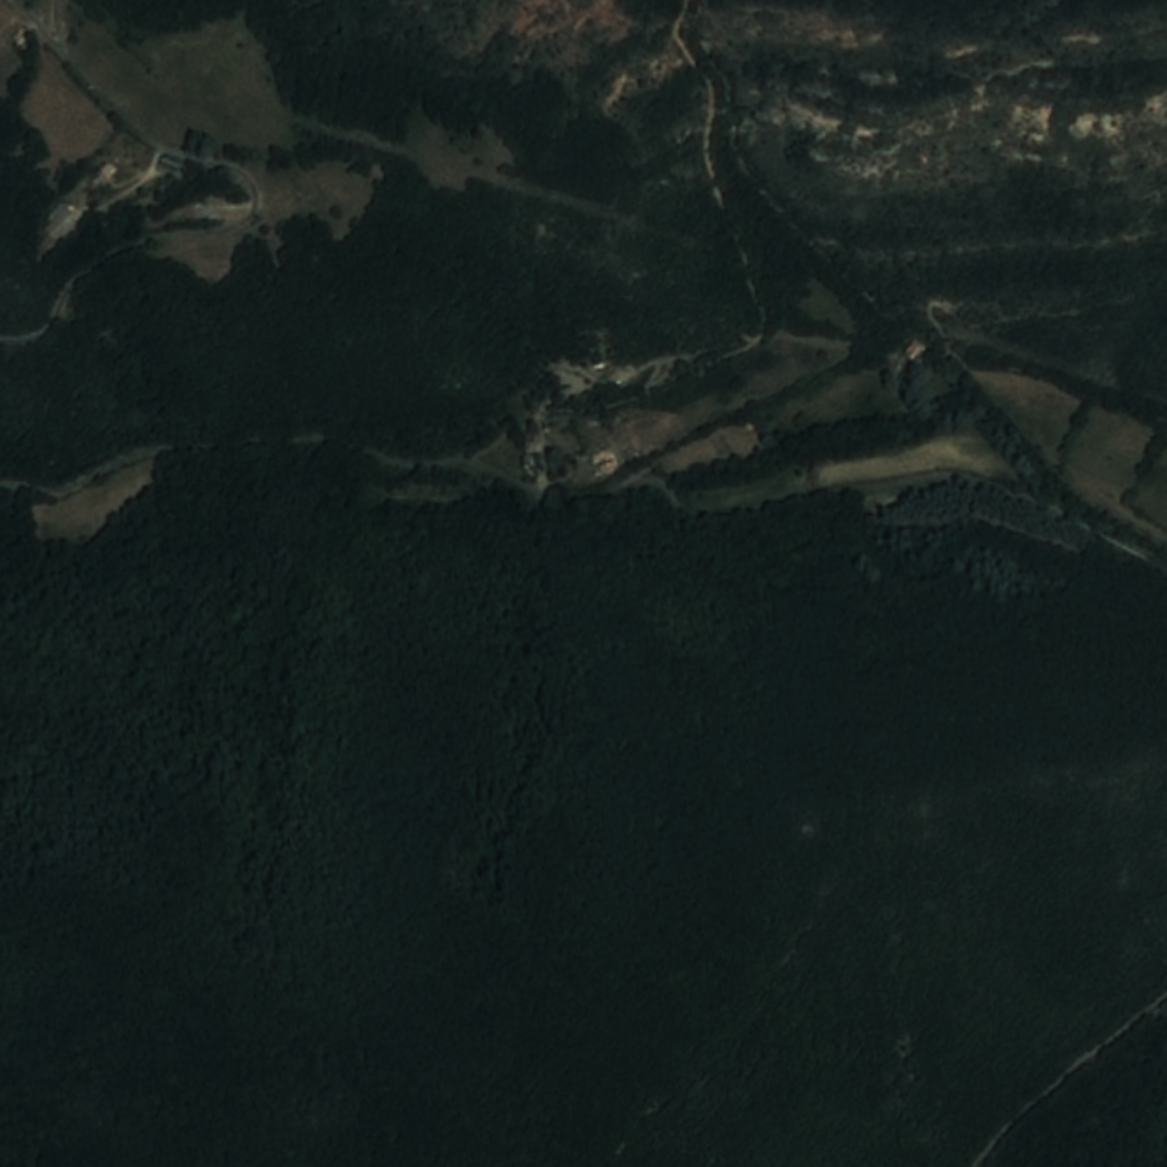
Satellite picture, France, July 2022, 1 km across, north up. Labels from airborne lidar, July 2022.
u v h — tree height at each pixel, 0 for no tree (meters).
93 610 20
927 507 22
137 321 23
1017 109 0
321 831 11
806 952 10
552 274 10
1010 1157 15
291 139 0
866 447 16
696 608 17
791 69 7
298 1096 10
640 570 16
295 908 14
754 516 17
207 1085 12
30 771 15
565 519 17
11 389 6
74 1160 11
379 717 17
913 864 10
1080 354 7
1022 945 12
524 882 23
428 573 19
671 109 7
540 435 10
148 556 14
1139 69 6
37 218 13
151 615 11
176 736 10
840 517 15
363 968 10
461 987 14
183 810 19
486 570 19
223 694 17
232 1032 16
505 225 9
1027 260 7
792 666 10
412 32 9
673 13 12
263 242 11
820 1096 14
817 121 0
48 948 13
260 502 18
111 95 0
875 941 13
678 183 9
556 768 15
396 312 12
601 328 7
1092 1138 19
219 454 16
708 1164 18
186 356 10
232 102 0
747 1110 17
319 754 13
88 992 9
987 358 7
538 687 23
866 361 11
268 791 11
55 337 12
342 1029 16
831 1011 13
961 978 10
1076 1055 10
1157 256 7
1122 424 0
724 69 6
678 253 10
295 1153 12
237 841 19
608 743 11
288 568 21
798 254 15
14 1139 9
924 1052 16
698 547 12
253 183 0
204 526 16
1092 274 7
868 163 0
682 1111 13
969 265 5
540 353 13
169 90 0
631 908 10
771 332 10
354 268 16
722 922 11
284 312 10
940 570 13
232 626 10
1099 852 9
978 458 0
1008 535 10
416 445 14
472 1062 10
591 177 8
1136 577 13
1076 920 12
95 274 11
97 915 17
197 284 11
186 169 6
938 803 7
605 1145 13
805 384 9
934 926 10
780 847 11
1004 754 8
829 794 10
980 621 12
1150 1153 10
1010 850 10
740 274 10
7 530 18
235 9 8
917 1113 12
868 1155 8
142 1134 8
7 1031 12
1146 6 7
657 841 11
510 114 8
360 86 15
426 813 11
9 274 6
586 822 14
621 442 0
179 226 9
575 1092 17
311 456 8
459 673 17
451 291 22
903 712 9
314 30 15
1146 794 7
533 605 20
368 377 12
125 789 15
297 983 15
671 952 14
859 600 14
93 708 9
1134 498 7
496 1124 16
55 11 0
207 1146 12
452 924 13
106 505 0
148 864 17
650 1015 10
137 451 14
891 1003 12
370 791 9
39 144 10
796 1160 13
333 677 19
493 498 15
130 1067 10
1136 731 10
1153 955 7
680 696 15
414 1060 12
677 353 12
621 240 6
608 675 10
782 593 14
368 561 11
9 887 19
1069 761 7
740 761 9
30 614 12
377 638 19
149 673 11
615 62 6
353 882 10
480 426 14
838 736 9
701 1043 13
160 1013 11
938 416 17
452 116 12
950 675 13
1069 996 13
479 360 12
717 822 12
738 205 14
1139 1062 14
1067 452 10
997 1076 10
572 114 6
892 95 5
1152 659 9
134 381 19
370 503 16
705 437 12
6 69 0
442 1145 11
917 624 12
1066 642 13
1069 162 0
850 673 14
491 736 20
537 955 15
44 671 11
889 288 6
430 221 14
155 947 13
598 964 15
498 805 19
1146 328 9
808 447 19
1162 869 9
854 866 11
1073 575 9
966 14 6
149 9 14
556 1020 15
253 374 15
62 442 10
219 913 14
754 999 18
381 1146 15
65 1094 7
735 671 15
